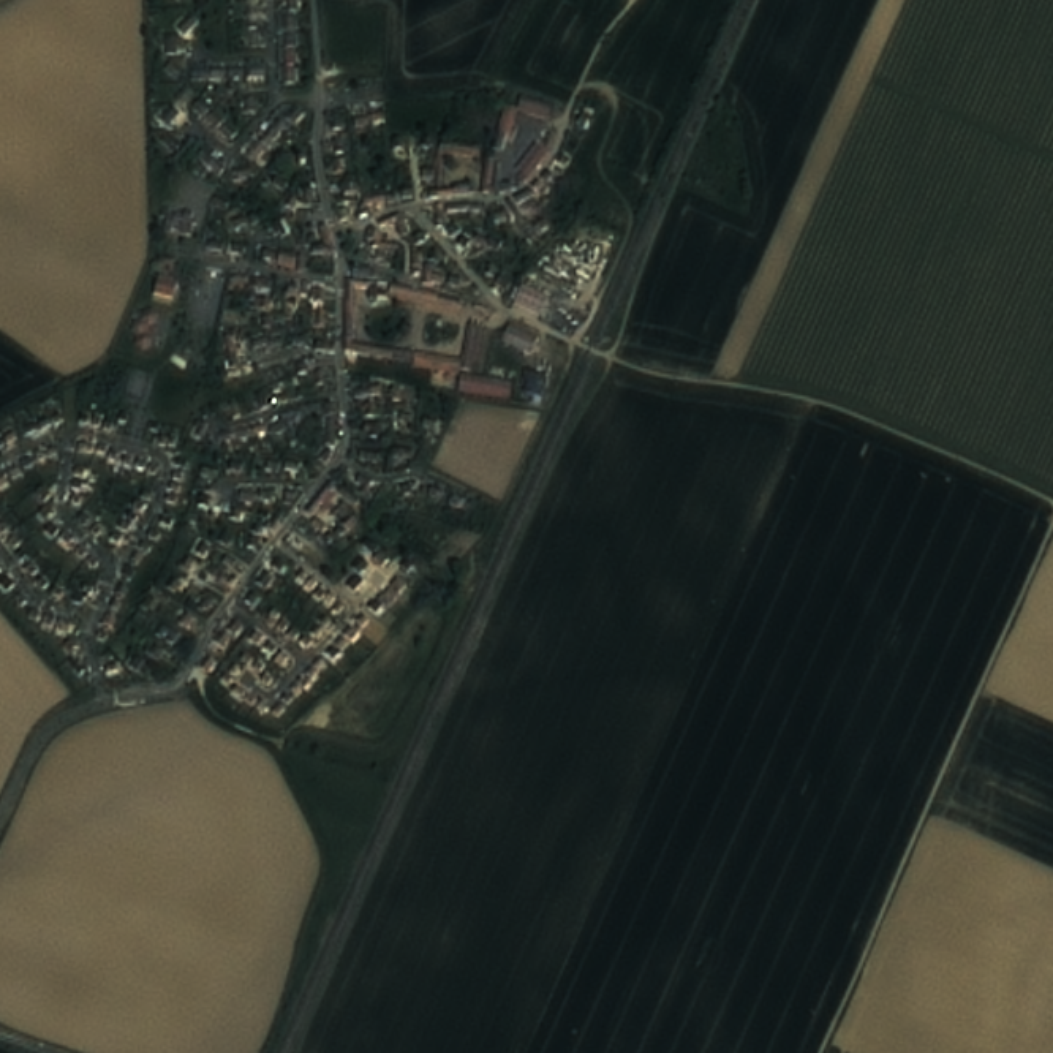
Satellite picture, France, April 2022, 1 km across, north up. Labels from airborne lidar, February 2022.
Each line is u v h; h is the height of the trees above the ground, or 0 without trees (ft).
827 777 0
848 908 0
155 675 26
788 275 0
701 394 0
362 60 0
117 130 0
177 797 0
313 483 0
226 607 0
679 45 0
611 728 0
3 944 0
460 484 0
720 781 0
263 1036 0
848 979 0
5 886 0
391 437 19
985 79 0
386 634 0
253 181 24
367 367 0
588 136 0
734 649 0
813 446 0
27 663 0
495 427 0
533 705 0
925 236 0
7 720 0
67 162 0
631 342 0
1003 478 0
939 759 0
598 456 0
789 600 0
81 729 0
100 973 0
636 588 0
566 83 0
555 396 0
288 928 0
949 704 0
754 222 0
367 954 0
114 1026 0
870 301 0
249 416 0
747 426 0
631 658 0
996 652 0
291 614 0
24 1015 0
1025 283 0
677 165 0
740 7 0
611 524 0
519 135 0
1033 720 0
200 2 45
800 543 0
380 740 0
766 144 0
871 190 0
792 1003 0
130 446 0
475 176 0
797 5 0
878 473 0
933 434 0
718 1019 0
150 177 0
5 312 0
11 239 0
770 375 0
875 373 0
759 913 0
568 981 0
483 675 0
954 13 0
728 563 0
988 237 0
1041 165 0
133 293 0
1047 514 0
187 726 0
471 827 0
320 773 0
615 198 0
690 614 0
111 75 0
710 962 0
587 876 0
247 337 22
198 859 0
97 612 0
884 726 0
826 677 0
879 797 0
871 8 0
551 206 0
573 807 0
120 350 0
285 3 0
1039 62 0
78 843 0
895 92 0
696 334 0
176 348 0
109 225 0
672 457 0
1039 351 0
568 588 0
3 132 0
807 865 0
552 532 0
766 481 0
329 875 0
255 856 0
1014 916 0
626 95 0
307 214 0
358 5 0
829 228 0
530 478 0
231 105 20
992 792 0
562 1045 0
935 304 0
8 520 0
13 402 0
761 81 0
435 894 0
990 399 0
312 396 0
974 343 0
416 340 0
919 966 0
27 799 0
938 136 0
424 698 0
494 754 0
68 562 0
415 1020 0
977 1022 0
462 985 0
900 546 0
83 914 0
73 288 0
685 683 0
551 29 0
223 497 0
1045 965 0
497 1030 0
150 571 0
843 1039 0
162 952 0
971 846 0
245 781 0
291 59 0
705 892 0
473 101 27
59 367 0
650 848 0
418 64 0
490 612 0
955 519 0
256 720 0
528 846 0
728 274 0
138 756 0
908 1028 0
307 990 0
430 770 0
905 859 0
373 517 44
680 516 0
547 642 0
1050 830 0
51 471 0
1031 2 0
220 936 0
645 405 0
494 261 25
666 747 0
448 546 0
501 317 0
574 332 0
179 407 0
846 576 0
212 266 0
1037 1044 0
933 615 0
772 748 0
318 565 0
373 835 0
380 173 30
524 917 0
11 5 0
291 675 0
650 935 0
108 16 0
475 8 0
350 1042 0
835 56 0
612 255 0
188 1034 0
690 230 0
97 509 0
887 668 0
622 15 0
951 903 0
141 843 0
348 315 0
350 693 0
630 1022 0
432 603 48
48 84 0
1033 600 0
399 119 0
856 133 0
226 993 0
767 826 0
